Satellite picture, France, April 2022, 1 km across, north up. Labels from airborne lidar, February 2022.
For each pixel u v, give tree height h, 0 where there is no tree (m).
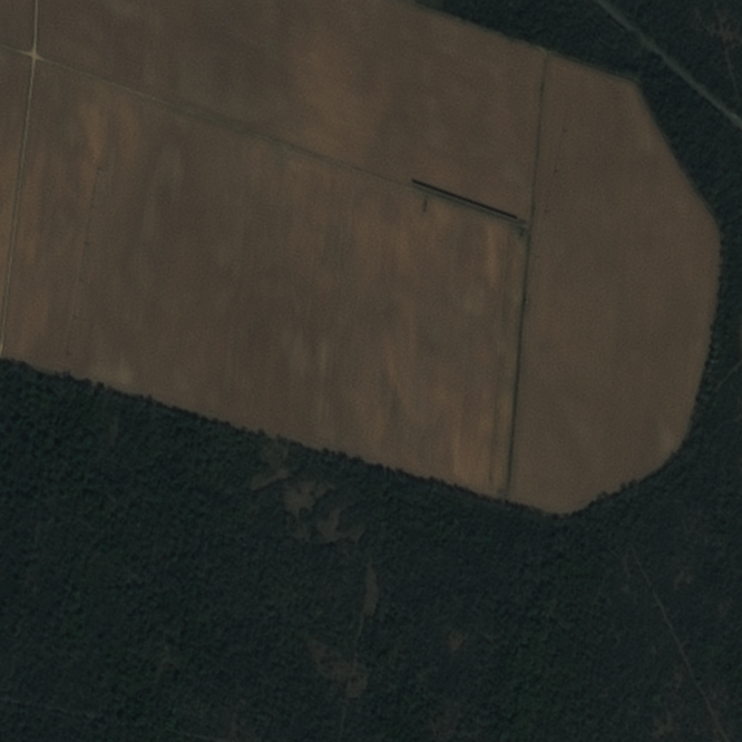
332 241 0
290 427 0
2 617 18
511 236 0
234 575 9
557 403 0
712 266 0
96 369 0
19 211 0
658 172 0
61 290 0
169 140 0
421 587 10
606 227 0
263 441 8
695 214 0
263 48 0
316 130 0
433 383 0
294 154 0
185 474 16
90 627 14
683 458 13
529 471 0
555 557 15
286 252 0
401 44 0
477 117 0
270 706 8
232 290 0
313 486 0
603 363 0
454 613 10
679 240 0
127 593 12
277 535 6
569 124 0
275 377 0
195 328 0
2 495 15
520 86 0
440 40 0
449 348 0
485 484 0
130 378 0
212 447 13
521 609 10
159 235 0
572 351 0
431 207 0
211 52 0
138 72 0
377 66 0
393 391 0
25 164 0
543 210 0
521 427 0
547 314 0
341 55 0
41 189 0
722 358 8
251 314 0
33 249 0
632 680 8
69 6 0
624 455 0
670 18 9
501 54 0
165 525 13
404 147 0
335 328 0
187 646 14
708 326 0
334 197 0
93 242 0
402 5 0
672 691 7
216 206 0
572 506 0
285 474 0
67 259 0
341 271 0
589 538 10
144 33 0
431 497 12
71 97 0
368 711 12
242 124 0
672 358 0
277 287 0
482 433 0
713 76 9
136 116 0
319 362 0
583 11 9
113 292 0
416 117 0
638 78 8
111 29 0
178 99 0
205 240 0
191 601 14
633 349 0
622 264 0
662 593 5
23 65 0
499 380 0
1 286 0
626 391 0
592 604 8
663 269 0
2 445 17
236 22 0
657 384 0
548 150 0
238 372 0
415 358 0
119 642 11
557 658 16
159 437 7
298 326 0
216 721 11
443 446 0
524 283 0
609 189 0
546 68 0
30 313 0
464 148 0
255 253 0
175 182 0
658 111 7
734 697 10
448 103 0
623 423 0
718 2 7
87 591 6
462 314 0
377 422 0
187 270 0
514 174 0
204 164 0
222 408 0
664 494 13
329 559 12
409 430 0
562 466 0
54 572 13
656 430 0
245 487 8
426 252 0
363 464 15
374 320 0
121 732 15
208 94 0
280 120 0
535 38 11
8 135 0
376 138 0
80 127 0
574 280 0
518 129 0
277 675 13
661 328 0
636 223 0
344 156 0
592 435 0
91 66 0
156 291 0
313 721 11
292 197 0
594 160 0
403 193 0
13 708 13
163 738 15
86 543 14
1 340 0
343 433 0
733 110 11
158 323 0
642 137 0
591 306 0
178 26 0
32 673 7
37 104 0
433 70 0
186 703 10
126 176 0
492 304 0
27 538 14
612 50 10
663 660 8
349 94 0
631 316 0
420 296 0
